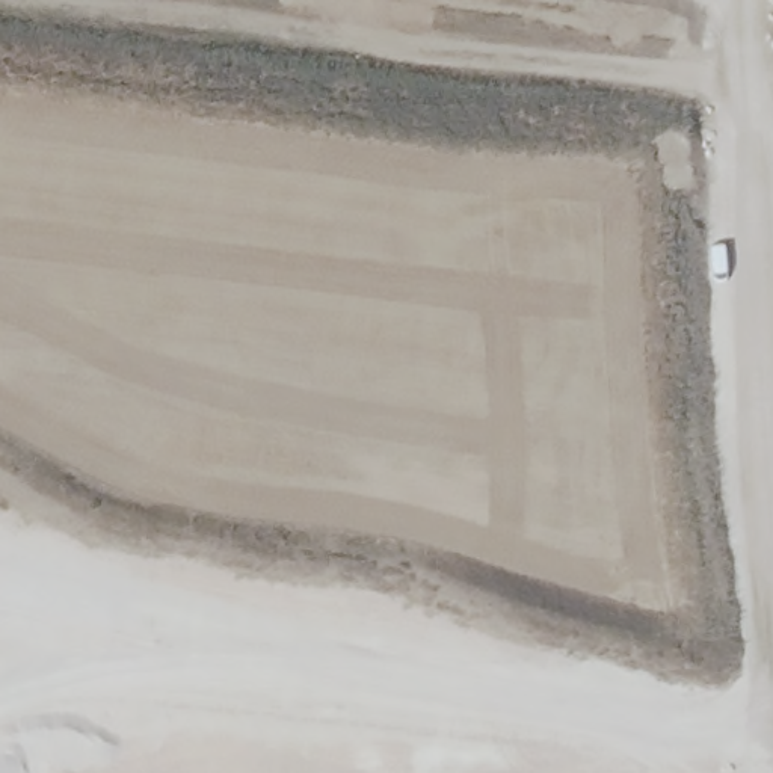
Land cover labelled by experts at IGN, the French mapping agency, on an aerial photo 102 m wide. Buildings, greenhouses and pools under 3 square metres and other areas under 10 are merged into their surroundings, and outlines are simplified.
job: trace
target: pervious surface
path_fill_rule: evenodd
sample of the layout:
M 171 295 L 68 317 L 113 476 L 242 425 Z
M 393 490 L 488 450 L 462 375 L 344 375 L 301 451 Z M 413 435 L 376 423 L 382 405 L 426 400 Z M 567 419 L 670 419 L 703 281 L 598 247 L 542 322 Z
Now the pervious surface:
M 655 136 L 664 166 L 664 184 L 688 187 L 688 136 L 682 130 L 667 130 Z
M 450 0 L 447 6 L 456 12 L 456 21 L 465 21 L 471 12 L 492 12 L 583 30 L 571 48 L 547 48 L 480 42 L 471 36 L 438 33 L 435 9 L 426 0 L 0 0 L 0 12 L 27 18 L 88 18 L 94 24 L 169 24 L 193 30 L 220 30 L 266 42 L 287 42 L 299 48 L 344 48 L 356 54 L 374 54 L 420 66 L 595 79 L 610 85 L 664 88 L 682 97 L 698 97 L 704 112 L 704 160 L 710 172 L 707 278 L 713 290 L 710 347 L 716 362 L 716 444 L 722 456 L 722 495 L 737 565 L 737 598 L 743 607 L 743 667 L 731 682 L 664 682 L 649 670 L 631 670 L 589 652 L 568 655 L 565 649 L 540 643 L 495 640 L 483 631 L 459 628 L 456 619 L 447 613 L 408 607 L 402 595 L 383 595 L 353 583 L 272 583 L 263 577 L 248 577 L 248 571 L 239 568 L 211 565 L 208 559 L 139 556 L 127 550 L 118 537 L 109 537 L 100 528 L 94 528 L 66 504 L 39 495 L 12 471 L 0 468 L 0 773 L 773 773 L 773 0 Z

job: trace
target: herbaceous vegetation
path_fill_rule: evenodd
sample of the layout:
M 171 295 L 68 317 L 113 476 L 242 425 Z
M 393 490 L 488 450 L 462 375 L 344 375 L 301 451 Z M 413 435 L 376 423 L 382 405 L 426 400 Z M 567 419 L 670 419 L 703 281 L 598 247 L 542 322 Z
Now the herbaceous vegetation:
M 220 30 L 193 30 L 169 24 L 94 24 L 88 18 L 27 18 L 0 12 L 0 82 L 33 85 L 36 79 L 42 79 L 48 88 L 79 88 L 82 94 L 109 94 L 112 100 L 148 97 L 154 106 L 163 109 L 187 106 L 187 112 L 196 118 L 248 118 L 269 124 L 302 124 L 314 130 L 335 127 L 338 133 L 453 148 L 537 154 L 637 151 L 646 160 L 637 178 L 643 233 L 640 296 L 646 302 L 646 390 L 649 408 L 658 414 L 655 447 L 661 450 L 661 462 L 673 468 L 664 507 L 664 547 L 673 577 L 685 586 L 688 595 L 688 604 L 676 610 L 640 610 L 631 604 L 592 598 L 577 589 L 562 589 L 522 574 L 510 574 L 504 568 L 483 565 L 459 553 L 441 553 L 423 544 L 374 540 L 371 534 L 344 534 L 338 528 L 296 531 L 275 522 L 245 522 L 172 504 L 142 504 L 79 480 L 60 462 L 33 450 L 21 438 L 0 432 L 0 468 L 12 471 L 39 495 L 66 504 L 94 528 L 100 528 L 109 537 L 118 537 L 127 550 L 139 556 L 208 559 L 211 565 L 239 568 L 248 571 L 248 577 L 263 577 L 272 583 L 353 583 L 383 595 L 402 595 L 408 607 L 447 613 L 456 619 L 459 628 L 483 631 L 495 640 L 540 643 L 565 649 L 568 655 L 589 652 L 631 670 L 649 670 L 664 682 L 731 682 L 743 667 L 743 607 L 737 598 L 737 565 L 722 495 L 722 456 L 716 444 L 716 362 L 710 347 L 713 290 L 707 278 L 710 172 L 704 160 L 704 112 L 698 97 L 682 97 L 664 88 L 610 85 L 595 79 L 420 66 L 374 54 L 356 54 L 344 48 L 299 48 L 287 42 L 266 42 Z M 667 130 L 682 130 L 688 136 L 688 187 L 664 184 L 664 166 L 655 136 Z
M 471 36 L 480 42 L 547 48 L 571 48 L 583 30 L 492 12 L 471 12 L 465 21 L 456 21 L 456 12 L 447 6 L 450 0 L 426 0 L 435 9 L 438 33 Z

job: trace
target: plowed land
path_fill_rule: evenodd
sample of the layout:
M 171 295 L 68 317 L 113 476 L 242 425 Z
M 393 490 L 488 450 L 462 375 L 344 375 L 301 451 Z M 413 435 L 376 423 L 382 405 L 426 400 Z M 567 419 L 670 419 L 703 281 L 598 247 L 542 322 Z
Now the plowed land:
M 142 504 L 172 504 L 245 522 L 275 522 L 296 531 L 338 528 L 344 534 L 371 534 L 374 540 L 423 544 L 441 553 L 459 553 L 483 565 L 504 568 L 510 574 L 522 574 L 562 589 L 577 589 L 592 598 L 631 604 L 640 610 L 676 610 L 688 604 L 688 595 L 685 586 L 673 577 L 664 547 L 664 507 L 673 468 L 661 462 L 661 450 L 655 447 L 658 414 L 649 408 L 646 390 L 646 302 L 640 296 L 643 233 L 637 178 L 646 160 L 637 151 L 537 154 L 453 148 L 338 133 L 335 127 L 314 130 L 302 124 L 269 124 L 248 118 L 196 118 L 187 112 L 187 106 L 163 109 L 154 106 L 148 97 L 112 100 L 109 94 L 82 94 L 79 88 L 48 88 L 42 79 L 36 79 L 33 85 L 0 82 L 0 432 L 21 438 L 33 450 L 60 462 L 79 480 Z

